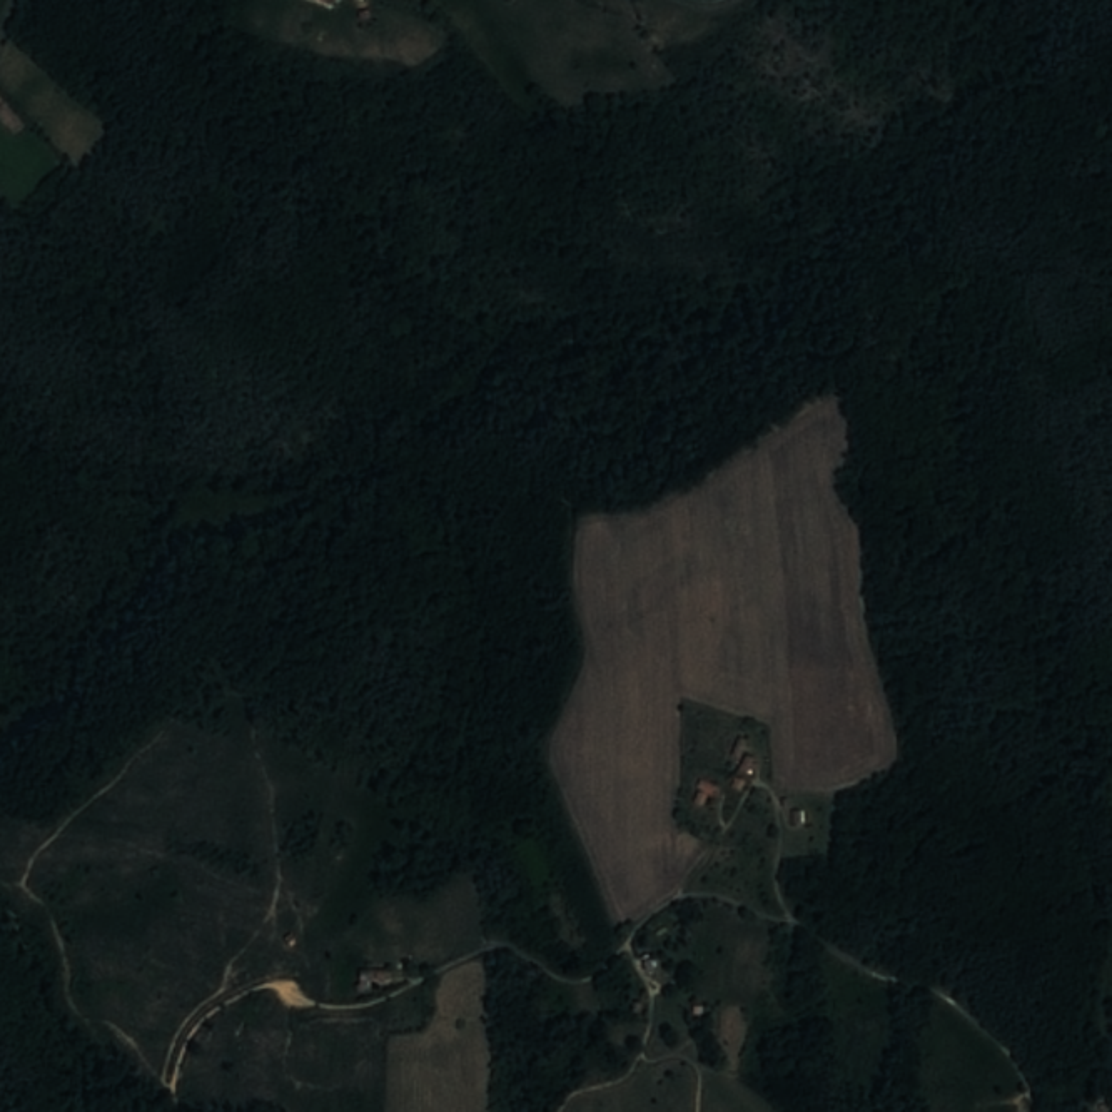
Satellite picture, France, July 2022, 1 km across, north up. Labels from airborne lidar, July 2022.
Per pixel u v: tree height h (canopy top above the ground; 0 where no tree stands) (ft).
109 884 0
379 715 55
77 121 0
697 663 0
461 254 42
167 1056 0
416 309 55
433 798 23
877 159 68
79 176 45
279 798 0
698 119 52
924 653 66
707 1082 0
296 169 93
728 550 0
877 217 61
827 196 74
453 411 84
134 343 60
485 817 34
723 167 22
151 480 77
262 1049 0
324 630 74
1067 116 39
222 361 56
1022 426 58
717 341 79
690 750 0
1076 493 70
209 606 82
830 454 0
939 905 58
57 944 0
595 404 96
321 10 0
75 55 47
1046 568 75
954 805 77
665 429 89
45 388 67
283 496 101
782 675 0
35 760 77
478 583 38
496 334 55
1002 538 69
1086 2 80
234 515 0
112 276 80
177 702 55
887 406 61
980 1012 63
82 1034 58
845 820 67
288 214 78
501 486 59
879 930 38
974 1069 0
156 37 59
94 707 67
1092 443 78
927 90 19
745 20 23
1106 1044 51
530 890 31
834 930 38
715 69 32
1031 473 75
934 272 68
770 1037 47
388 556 70
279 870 0
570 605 27
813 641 0
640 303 67
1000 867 74
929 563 70
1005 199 57
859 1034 0
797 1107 58
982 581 75
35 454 91
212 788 0
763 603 0
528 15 0
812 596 0
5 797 76
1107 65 66
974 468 60
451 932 0
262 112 33
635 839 0
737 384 88
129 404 66
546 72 0
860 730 0
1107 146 89
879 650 28
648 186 18
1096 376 64
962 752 58
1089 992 52
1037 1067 59
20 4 38
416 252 25
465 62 33
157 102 70
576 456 73
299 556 75
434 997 0
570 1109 0
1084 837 81
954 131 60
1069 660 76
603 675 0
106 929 0
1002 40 48
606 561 0
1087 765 65
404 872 37
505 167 36
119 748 60
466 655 91
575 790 0
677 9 0
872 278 70
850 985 0
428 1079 0
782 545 0
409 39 0
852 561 0
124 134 55
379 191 23
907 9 54
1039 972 60
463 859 30
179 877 0
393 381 57
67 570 46
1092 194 84
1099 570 78
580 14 0
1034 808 76
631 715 0
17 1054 60
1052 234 67
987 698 73
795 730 0
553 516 42
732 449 52
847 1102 45
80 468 82
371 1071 0
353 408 66
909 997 61
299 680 57
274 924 0
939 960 70
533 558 31
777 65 23
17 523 37
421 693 71
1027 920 55
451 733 102
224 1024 0
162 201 68
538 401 82
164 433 55
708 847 0
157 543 100
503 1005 46
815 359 80
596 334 65
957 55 60
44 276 53
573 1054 28
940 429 59
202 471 32
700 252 31
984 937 60
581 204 86
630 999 24
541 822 19
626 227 24
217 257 58
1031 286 64
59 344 77
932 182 70
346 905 0
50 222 61
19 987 72
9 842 0
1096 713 65
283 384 60
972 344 52
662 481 58
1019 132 76
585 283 61
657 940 0
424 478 46
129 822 0
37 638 59
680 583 0
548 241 37
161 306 63
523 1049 56
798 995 55
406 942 0
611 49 0
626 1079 0
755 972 0
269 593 83
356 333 59
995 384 58
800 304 89
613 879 0
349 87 31
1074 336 56
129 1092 83
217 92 76
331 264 79
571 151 62
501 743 28
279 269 65
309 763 23
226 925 0
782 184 43
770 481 0
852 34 30
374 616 49
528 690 41
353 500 87
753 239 37
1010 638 90
